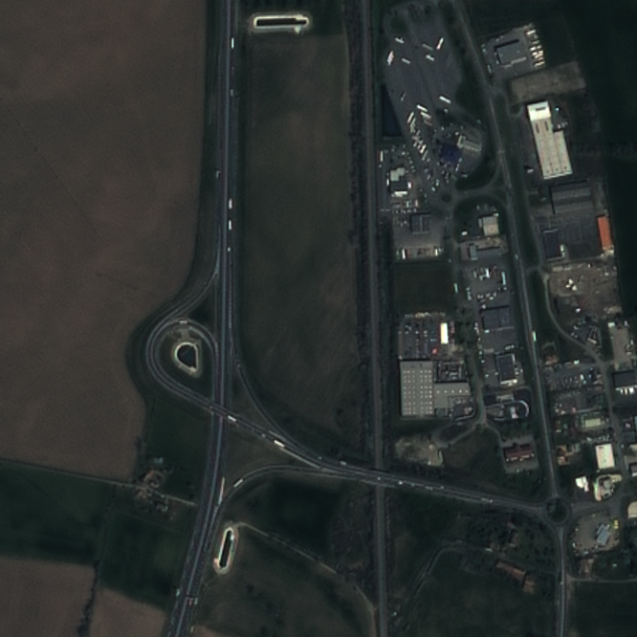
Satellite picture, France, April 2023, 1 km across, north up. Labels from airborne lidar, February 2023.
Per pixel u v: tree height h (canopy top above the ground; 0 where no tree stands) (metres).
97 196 0
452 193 0
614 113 0
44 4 0
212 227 0
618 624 0
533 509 0
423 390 0
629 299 0
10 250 0
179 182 0
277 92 0
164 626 0
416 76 0
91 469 0
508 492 0
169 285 0
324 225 0
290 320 0
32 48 0
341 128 0
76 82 0
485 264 0
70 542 0
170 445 0
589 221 0
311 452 0
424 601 0
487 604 0
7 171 0
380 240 16
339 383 0
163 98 0
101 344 0
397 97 0
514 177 0
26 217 0
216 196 0
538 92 0
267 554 0
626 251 0
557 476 0
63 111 0
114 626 0
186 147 0
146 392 0
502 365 0
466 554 8
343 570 7
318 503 0
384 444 13
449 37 0
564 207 0
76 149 0
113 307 0
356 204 14
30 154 0
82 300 0
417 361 0
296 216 0
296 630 0
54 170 0
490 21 0
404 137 0
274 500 0
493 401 0
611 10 0
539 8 0
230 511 0
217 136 0
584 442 0
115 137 0
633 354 0
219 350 0
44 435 0
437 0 0
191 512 0
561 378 0
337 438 0
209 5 0
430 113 0
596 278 0
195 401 0
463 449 0
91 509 0
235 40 0
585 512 0
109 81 0
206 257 0
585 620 0
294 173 0
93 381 0
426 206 0
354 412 0
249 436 0
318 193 0
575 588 0
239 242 0
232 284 0
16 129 0
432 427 0
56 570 0
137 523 0
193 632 0
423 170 0
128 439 0
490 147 0
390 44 0
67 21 0
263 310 0
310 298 0
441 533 0
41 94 0
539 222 0
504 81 0
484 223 0
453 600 0
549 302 0
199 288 0
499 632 0
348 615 0
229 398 0
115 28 0
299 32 0
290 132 0
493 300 0
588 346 0
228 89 0
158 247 0
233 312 0
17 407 0
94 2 0
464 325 8
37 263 0
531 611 0
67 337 0
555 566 11
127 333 0
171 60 0
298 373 0
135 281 0
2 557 0
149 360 0
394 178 0
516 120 0
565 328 0
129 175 0
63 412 0
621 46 0
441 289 0
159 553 0
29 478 0
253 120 0
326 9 0
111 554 0
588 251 0
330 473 0
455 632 0
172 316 0
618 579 0
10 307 0
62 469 0
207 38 0
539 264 0
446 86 0
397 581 0
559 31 0
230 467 0
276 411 0
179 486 0
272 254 0
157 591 0
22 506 0
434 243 0
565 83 0
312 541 0
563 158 0
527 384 0
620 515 0
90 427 0
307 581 0
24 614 0
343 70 0
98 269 0
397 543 0
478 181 0
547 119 0
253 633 0
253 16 0
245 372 0
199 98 0
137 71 0
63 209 0
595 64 0
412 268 0
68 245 0
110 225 0
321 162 0
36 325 0
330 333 0
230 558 0
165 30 0
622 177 0
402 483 0
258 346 0
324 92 0
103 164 0
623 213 0
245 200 0
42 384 0
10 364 0
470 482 0
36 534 0
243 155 0
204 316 0
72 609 0
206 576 0
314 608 0
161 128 0
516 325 0
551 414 11
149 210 0
